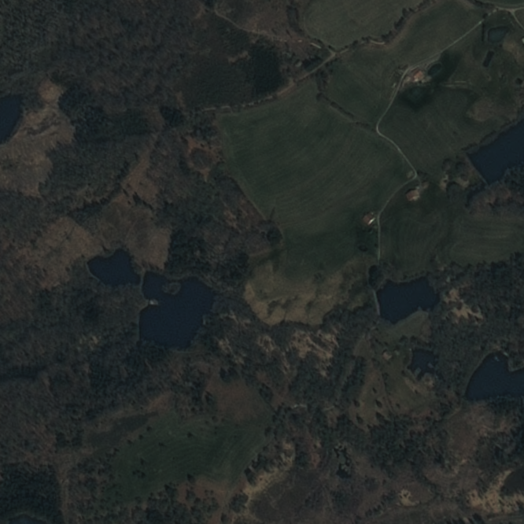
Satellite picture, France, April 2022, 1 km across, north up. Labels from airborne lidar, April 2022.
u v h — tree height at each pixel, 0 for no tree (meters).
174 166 31
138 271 16
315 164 0
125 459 0
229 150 0
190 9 19
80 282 14
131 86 24
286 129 0
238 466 0
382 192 0
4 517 21
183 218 20
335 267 0
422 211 0
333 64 11
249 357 17
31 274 23
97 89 21
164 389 22
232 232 21
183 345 0
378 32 0
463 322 14
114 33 20
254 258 0
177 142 14
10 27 32
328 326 16
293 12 21
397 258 0
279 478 0
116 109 16
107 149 22
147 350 24
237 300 15
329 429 15
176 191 28
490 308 20
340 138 0
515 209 28
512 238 0
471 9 0
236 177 0
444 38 0
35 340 24
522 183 14
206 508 9
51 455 13
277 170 0
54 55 8
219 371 0
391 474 12
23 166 0
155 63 23
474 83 0
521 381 0
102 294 20
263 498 0
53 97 0
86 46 29
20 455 17
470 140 0
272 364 9
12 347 19
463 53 0
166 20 20
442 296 15
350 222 0
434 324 14
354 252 0
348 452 0
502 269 20
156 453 0
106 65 22
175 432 0
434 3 8
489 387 0
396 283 11
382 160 0
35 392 22
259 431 0
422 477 17
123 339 18
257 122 0
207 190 17
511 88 0
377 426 0
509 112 0
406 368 0
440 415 6
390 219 0
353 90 0
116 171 16
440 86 0
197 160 26
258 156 0
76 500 15
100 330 16
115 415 19
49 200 15
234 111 13
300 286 0
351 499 7
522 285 14
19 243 20
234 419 0
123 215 0
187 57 20
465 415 0
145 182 0
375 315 21
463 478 0
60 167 22
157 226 11
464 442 0
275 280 0
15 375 17
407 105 0
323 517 0
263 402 0
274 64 8
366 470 0
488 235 0
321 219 0
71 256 0
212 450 0
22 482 17
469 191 9
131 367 27
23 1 0
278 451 14
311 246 0
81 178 20
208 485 0
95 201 7
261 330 13
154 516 28
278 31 0
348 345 14
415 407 0
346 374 14
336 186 0
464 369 20
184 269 14
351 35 0
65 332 23
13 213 17
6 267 23
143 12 21
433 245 0
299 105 0
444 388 15
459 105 0
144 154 17
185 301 0
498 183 22
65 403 10
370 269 0
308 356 8
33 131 0
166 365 26
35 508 24
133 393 28
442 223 0
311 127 0
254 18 0
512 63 0
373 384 0
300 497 0
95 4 20
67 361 18
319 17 0
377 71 0
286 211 0
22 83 12
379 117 0
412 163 0
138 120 9
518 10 0
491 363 0
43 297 14
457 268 18
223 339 11
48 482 10
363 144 0
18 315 17
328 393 16
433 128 0
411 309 0
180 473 0
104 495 11
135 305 25
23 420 10
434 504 0
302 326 12
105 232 0
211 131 12
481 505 0
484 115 0
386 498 12
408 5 0
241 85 6
